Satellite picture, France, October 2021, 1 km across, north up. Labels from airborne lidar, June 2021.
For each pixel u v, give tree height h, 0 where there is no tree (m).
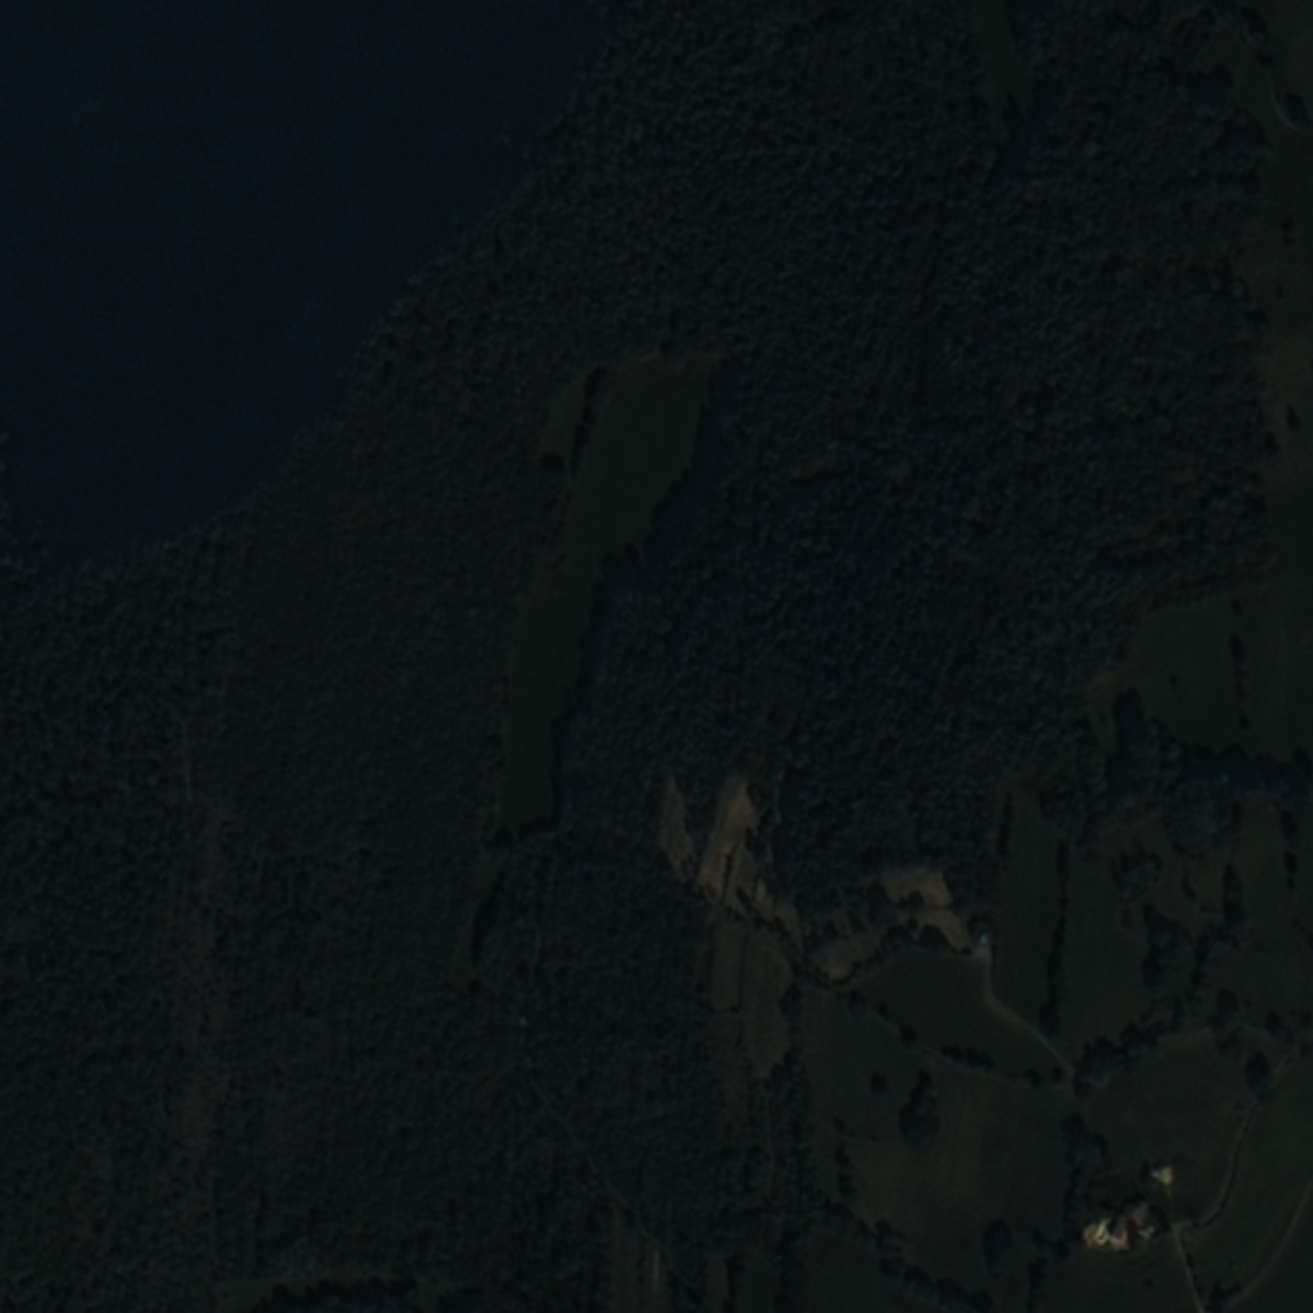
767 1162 8
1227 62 0
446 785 12
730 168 19
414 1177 11
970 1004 0
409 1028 8
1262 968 0
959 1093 0
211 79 15
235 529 9
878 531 16
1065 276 19
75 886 12
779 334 18
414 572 9
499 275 8
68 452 31
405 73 19
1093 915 0
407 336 9
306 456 8
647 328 16
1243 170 21
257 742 9
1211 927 0
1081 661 15
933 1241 0
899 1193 0
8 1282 7
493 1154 7
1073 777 9
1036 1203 0
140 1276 9
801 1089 16
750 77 18
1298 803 17
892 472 25
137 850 12
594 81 6
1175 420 20
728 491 21
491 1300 19
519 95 13
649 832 10
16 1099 8
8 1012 15
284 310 13
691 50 15
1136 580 22
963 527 25
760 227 23
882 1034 0
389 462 9
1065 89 23
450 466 11
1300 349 0
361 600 9
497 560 13
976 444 20
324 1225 19
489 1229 14
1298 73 0
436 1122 13
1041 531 19
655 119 16
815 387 21
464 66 16
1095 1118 0
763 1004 0
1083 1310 0
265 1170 9
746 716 18
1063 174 20
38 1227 7
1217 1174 0
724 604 22
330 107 18
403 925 12
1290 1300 0
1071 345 16
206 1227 8
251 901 8
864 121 16
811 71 22
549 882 12
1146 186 23
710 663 23
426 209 11
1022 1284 0
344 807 7
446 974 6
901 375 19
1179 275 23
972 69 21
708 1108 11
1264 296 0
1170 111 19
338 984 6
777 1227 6
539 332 15
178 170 18
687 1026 12
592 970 9
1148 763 24
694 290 19
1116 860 0
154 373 18
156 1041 6
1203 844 14
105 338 22
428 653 7
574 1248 14
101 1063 8
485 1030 8
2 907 8
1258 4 0
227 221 17
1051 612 11
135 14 8
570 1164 12
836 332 20
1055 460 22
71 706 11
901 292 19
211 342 18
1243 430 26
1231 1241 0
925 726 17
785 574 23
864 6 24
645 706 13
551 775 0
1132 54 18
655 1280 0
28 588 13
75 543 21
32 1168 8
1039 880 0
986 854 12
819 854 17
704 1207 11
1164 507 26
